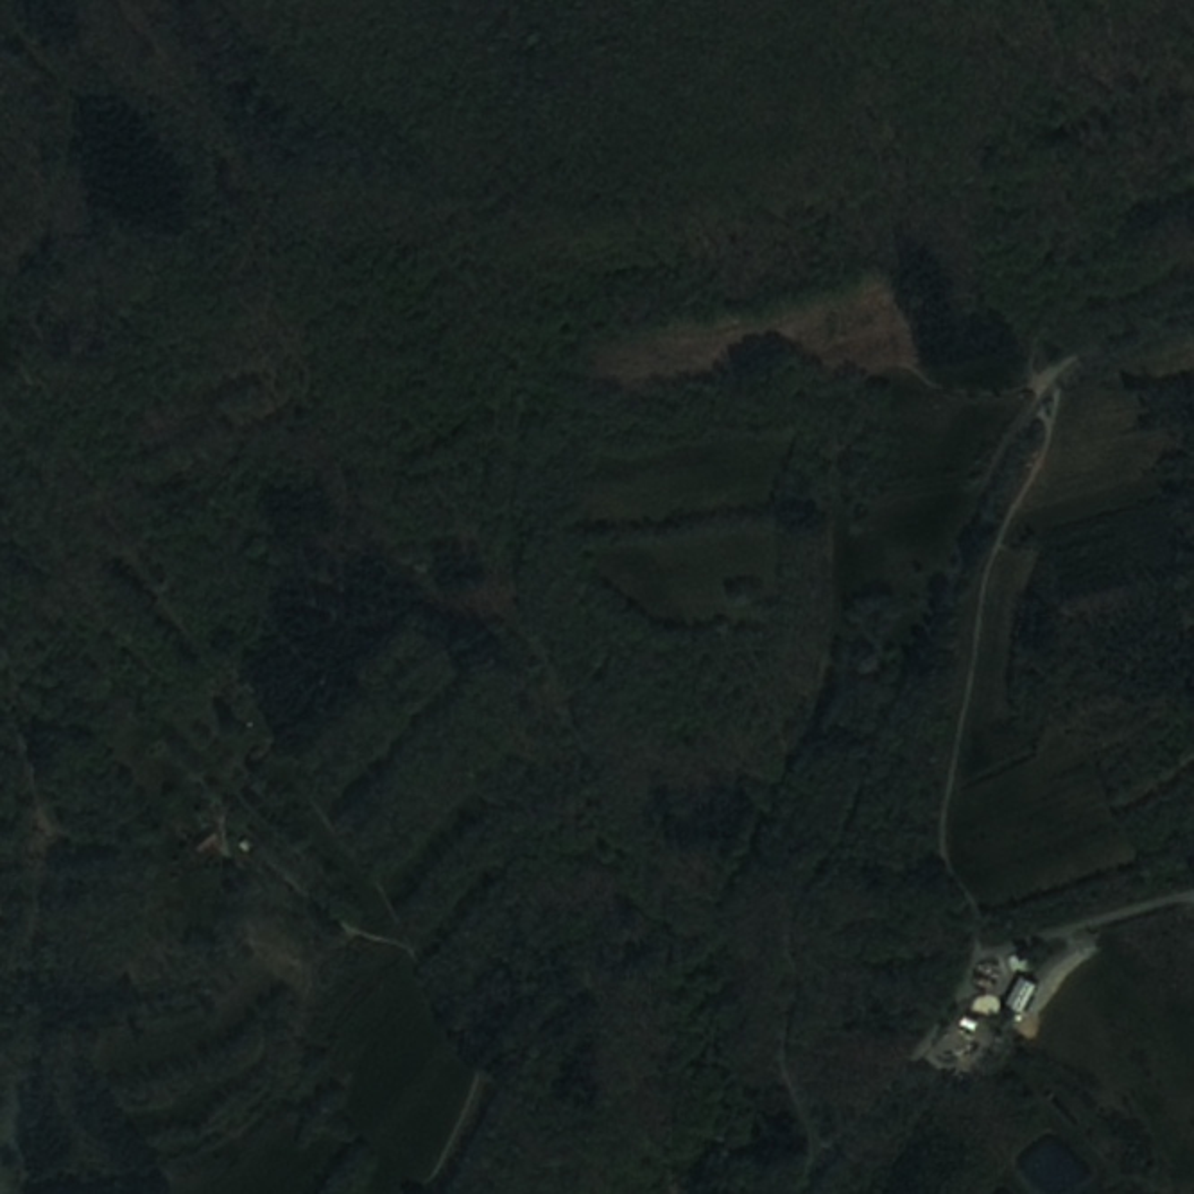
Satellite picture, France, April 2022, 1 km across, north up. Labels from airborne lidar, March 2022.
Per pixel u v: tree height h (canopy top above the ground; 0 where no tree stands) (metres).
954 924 24
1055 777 0
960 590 7
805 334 0
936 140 24
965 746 0
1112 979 0
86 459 27
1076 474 0
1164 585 11
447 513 21
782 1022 21
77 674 24
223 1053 19
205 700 17
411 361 20
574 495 15
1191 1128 0
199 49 27
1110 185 22
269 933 0
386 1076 0
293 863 17
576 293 22
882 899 20
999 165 24
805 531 20
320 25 21
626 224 21
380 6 22
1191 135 24
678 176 15
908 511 0
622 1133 26
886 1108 20
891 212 28
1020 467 13
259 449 16
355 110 21
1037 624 18
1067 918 7
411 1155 0
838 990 24
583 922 17
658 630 18
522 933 26
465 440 18
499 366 19
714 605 0
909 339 0
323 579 8
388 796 17
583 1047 26
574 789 21
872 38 20
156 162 25
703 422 15
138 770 0
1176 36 25
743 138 20
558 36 27
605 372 0
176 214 22
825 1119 19
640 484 0
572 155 19
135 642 23
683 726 12
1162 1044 0
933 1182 13
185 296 16
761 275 24
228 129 21
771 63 20
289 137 28
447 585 21
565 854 21
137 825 20
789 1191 24
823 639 21
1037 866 0
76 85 16
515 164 16
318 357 20
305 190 20
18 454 26
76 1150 30
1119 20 24
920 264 29
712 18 19
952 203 26
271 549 17
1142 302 17
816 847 23
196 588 20
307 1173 0
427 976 14
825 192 24
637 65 24
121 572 20
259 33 24
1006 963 0
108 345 19
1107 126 28
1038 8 24
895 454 10
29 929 36
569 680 25
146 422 23
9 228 16
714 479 0
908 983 25
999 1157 13
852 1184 16
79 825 19
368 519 20
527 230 18
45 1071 20
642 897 20
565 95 24
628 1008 21
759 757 18
